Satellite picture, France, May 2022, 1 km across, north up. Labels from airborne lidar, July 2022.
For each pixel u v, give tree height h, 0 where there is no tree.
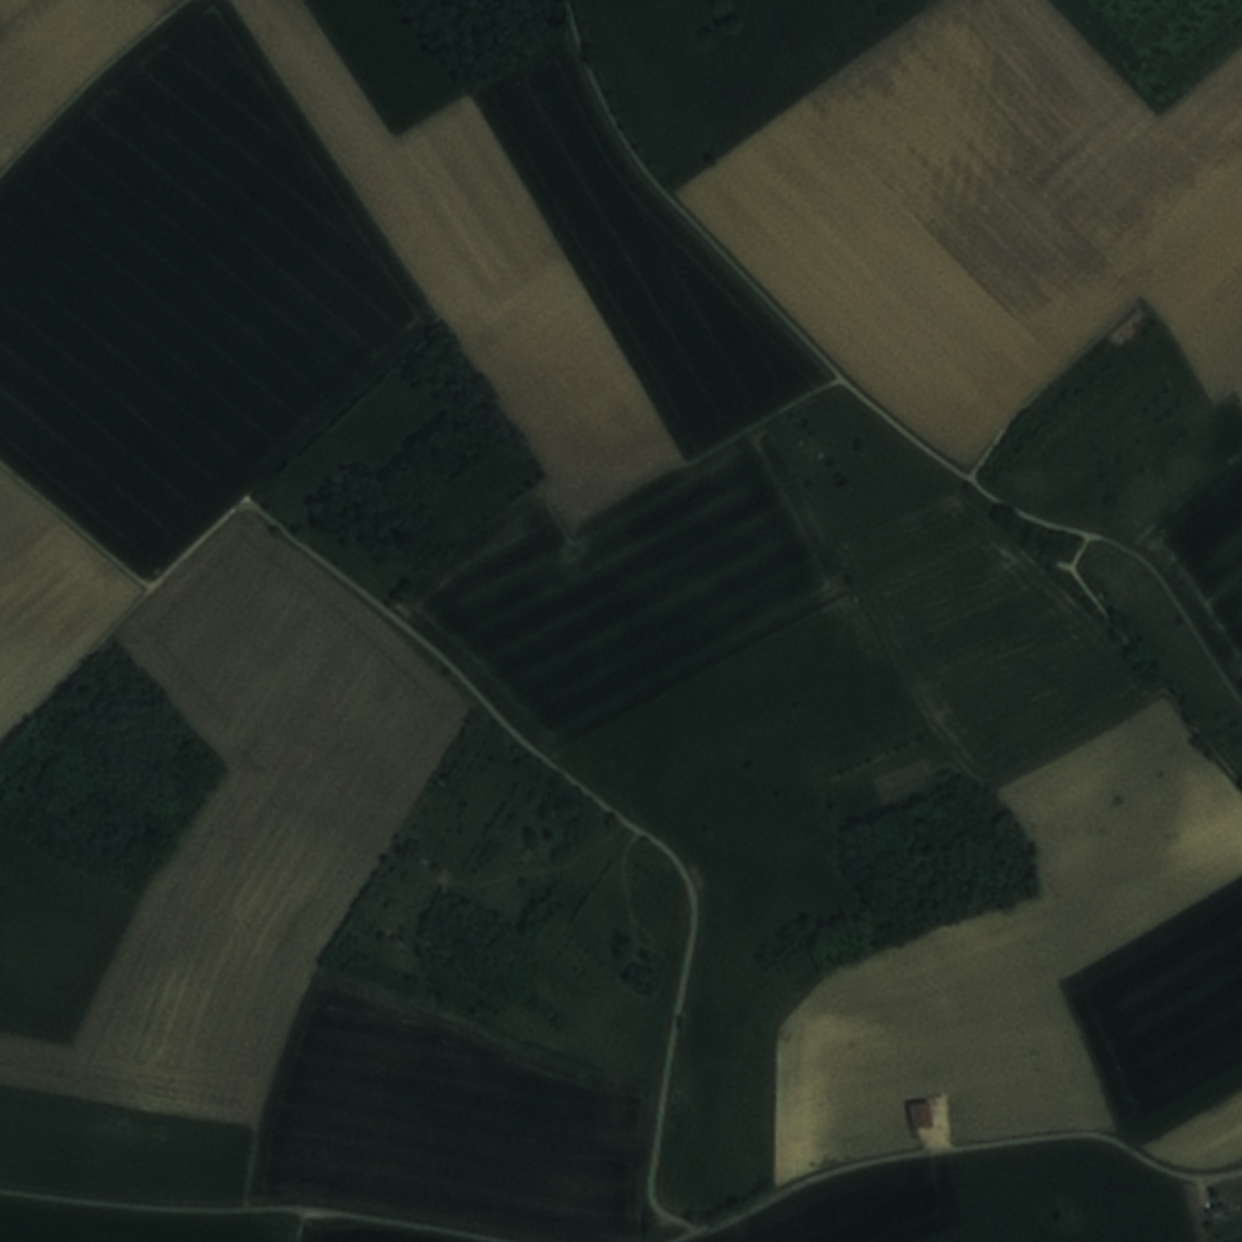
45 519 0
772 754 0
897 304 0
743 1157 0
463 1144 0
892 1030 0
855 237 0
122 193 0
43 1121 0
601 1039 0
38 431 0
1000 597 0
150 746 20
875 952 10
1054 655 0
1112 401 0
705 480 0
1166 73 0
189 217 0
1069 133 0
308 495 0
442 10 20
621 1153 0
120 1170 0
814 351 0
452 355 9
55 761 18
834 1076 0
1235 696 0
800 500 0
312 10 0
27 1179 0
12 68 0
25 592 0
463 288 0
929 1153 0
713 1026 0
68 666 0
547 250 0
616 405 0
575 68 0
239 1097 0
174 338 0
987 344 0
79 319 0
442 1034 0
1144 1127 0
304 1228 0
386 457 0
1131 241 0
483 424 20
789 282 0
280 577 0
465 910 13
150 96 0
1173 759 0
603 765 0
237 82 0
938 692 0
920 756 0
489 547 0
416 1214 0
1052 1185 0
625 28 0
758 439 0
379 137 0
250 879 0
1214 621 0
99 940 0
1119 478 0
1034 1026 0
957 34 0
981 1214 0
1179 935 0
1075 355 0
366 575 0
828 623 0
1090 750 0
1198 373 0
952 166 0
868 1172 0
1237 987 0
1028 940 0
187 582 0
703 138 0
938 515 0
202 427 0
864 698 0
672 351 0
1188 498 0
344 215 0
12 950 0
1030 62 0
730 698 0
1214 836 0
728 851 0
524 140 0
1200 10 0
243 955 0
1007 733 0
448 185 0
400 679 0
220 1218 0
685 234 0
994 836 10
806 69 0
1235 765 0
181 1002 0
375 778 0
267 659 0
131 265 0
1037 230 0
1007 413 0
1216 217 0
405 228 0
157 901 0
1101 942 0
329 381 0
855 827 17
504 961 6
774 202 0
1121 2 0
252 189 0
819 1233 0
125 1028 0
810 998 0
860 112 0
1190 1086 0
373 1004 0
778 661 0
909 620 0
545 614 0
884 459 0
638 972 14
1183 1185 0
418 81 0
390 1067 0
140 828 17
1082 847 0
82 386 0
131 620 0
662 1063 0
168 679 0
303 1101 0
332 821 0
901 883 17
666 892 6
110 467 0
